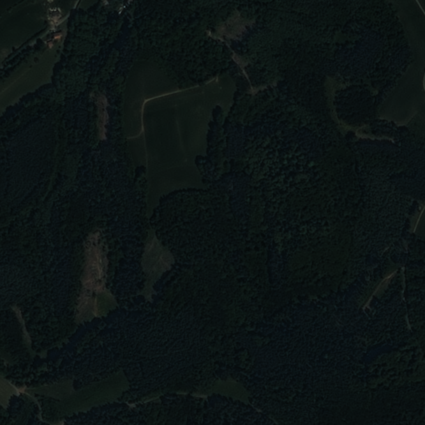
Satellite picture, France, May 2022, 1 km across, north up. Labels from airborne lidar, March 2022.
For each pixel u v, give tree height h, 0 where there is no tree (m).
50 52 0
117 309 0
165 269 0
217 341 16
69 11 0
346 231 13
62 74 29
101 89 34
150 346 25
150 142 0
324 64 17
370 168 9
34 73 0
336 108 0
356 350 31
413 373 31
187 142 0
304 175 32
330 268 11
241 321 12
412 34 0
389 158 17
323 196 6
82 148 16
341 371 27
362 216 14
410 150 23
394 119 0
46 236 23
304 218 10
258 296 16
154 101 0
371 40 26
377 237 12
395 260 21
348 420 15
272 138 20
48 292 22
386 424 15
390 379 17
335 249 11
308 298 22
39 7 0
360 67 25
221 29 0
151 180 0
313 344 25
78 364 30
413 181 22
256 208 33
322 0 8
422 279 10
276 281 24
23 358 17
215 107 0
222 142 32
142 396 10
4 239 18
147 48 9
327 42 18
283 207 8
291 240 12
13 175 25
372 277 10
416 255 13
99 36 22
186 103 0
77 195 23
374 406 16
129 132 0
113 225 23
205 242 19
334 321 32
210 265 18
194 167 0
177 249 13
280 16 9
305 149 31
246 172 23
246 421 31
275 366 29
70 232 21
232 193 27
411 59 14
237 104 9
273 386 27
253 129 18
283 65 16
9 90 0
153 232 0
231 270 14
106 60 36
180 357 21
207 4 19
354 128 0
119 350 30
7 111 0
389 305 21
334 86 0
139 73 0
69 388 0
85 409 0
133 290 29
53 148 19
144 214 15
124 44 33
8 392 0
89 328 24
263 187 25
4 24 0
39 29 0
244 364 30
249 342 31
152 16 22
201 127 0
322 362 30
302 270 12
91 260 0
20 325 16
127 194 20
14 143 21
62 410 0
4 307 20
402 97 0
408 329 12
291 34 22
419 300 19
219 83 0
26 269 18
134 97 0
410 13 0
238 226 23
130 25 22
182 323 22
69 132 9
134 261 34
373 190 8
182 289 21
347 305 35
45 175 25
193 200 11
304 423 14
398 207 10
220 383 0
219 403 30
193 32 25
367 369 28
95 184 28
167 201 19
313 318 28
